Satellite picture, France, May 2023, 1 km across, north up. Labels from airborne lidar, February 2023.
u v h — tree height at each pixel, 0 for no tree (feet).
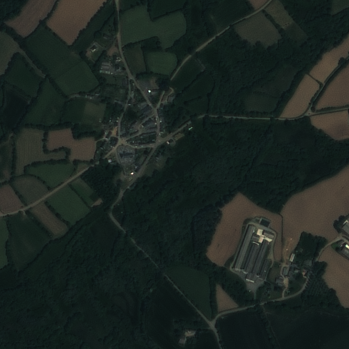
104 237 0
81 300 0
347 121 0
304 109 0
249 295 30
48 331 21
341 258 0
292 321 0
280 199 23
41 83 28
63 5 0
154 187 0
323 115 0
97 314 21
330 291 41
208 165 19
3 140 48
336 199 0
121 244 24
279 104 55
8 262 27
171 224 28
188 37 37
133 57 0
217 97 25
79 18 0
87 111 0
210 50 0
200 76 33
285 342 0
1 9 31
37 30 29
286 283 0
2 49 0
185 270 0
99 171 24
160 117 0
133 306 0
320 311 0
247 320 0
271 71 47
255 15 0
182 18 0
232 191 24
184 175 28
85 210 0
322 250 0
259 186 51
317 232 0
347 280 0
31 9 0
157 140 0
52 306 36
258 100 0
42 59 0
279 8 0
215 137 50
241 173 29
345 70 0
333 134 0
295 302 0
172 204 81
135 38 0
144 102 24
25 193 0
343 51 0
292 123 27
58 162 36
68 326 45
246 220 0
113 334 52
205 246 52
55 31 0
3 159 0
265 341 0
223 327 0
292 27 0
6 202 0
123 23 0
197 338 52
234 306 0
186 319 0
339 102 0
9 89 0
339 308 44
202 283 0
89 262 54
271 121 41
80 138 44
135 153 0
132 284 25
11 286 0
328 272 0
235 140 0
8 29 58
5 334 30
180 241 27
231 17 0
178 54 29
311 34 46
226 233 0
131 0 0
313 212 0
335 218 0
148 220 50
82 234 30
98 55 0
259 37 0
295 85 41
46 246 38
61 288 0
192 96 0
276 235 0
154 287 48
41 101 0
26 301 30
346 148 28
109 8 0
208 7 64
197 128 0
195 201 0
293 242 0
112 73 0
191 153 0
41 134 0
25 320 32
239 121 40
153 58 0
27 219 0
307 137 0
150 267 51
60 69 0
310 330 0
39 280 21
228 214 0
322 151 19
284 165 29
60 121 24
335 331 0
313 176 0
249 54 44
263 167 46
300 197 0
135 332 24
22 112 0
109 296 24
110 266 20
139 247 81
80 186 0
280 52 27
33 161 0
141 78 63
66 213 0
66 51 0
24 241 0
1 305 39
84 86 0
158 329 0
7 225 25
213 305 35
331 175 26
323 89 18
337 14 25
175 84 0
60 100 0
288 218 0
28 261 0
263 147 53
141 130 0
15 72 0
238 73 31
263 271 0
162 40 0
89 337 0
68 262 36
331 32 36
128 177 0
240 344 0
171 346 0
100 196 41
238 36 33
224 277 25
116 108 26
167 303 0
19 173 0
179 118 33
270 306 38
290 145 22
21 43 52
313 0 27
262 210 0
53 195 0
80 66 0
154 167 0
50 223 0
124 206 22
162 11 0
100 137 24
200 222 81
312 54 48
